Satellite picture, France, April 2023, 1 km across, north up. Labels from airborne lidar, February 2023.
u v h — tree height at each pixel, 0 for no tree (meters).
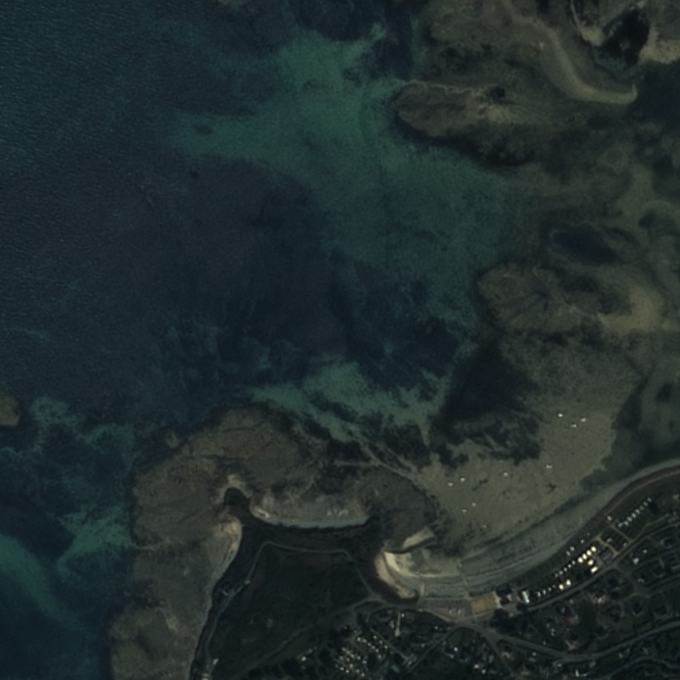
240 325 0
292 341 0
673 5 0
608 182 0
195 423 0
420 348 0
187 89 0
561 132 0
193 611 0
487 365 0
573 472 0
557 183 0
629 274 0
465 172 0
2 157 0
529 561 0
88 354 0
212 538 0
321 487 0
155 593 0
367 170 0
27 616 0
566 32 0
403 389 0
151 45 0
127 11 0
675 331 0
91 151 0
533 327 0
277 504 0
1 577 0
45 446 0
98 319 0
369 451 0
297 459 0
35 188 0
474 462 0
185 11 0
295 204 0
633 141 0
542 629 0
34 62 0
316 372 0
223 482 0
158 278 0
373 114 0
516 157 0
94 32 0
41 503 0
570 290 0
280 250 0
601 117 0
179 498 0
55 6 0
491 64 0
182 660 0
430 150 0
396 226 0
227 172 0
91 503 0
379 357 0
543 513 0
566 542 0
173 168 0
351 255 0
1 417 0
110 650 0
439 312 0
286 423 0
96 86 0
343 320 0
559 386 0
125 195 0
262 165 0
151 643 0
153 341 0
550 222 0
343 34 0
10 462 0
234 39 0
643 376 0
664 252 0
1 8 0
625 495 0
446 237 0
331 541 0
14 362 0
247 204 0
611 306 0
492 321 0
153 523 0
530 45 0
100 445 0
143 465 0
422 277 0
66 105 0
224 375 0
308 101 0
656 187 0
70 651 0
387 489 0
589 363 0
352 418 0
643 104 0
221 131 0
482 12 0
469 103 0
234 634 0
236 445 0
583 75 0
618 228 0
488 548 0
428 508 0
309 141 0
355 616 0
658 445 0
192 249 0
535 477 0
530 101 0
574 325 0
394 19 0
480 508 0
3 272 0
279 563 0
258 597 0
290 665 12
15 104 0
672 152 0
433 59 0
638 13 0
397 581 0
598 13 0
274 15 0
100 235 0
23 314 0
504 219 0
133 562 0
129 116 0
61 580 0
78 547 0
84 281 0
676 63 0
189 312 0
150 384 0
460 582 0
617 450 0
